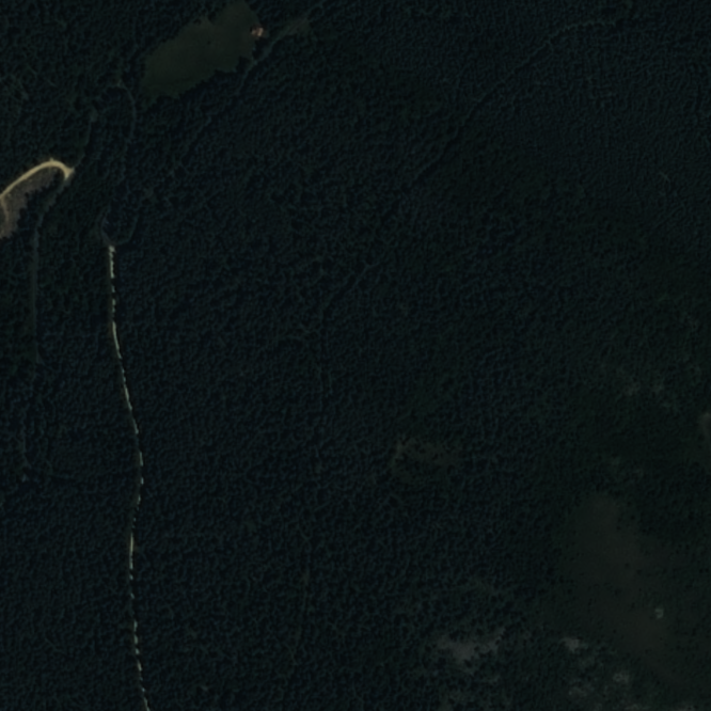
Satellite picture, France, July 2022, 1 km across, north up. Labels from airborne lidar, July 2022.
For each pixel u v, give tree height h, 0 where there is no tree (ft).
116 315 27
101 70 57
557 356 27
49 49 79
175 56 0
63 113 68
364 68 54
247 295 81
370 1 71
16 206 0
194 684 57
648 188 49
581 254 19
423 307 69
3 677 77
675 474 50
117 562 65
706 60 32
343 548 49
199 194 88
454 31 52
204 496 66
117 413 52
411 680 49
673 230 56
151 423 68
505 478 58
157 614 52
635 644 0
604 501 0
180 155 52
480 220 49
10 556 91
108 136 70
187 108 73
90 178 32
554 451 38
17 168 69
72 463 69
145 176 83
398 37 69
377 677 57
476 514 64
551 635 23
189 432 76
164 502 84
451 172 63
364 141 66
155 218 77
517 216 40
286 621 28
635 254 35
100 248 23
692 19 60
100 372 75
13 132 61
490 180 51
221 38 0
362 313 57
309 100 53
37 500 82
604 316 30
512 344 37
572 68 38
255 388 73
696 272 38
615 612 0
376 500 53
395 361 55
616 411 20
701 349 36
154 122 76
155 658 35
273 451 39
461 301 61
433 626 51
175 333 77
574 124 59
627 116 57
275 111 63
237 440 64
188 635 45
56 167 0
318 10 59
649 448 36
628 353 21
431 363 52
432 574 23
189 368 54
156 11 68
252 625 62
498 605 20
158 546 70
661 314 45
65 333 84
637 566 0
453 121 62
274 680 45
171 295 72
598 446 23
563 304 39
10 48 53
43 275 42
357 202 44
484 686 29
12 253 59
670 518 49
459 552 43
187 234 85
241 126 61
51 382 19
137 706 82
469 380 43
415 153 68
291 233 76
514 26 73
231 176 84
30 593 81
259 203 87
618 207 46
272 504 82
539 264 40
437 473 33
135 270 84
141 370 51
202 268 44
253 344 69
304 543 65
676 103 58
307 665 37
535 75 51
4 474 85
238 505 57
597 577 0
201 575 73
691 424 38
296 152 71
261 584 24
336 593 39
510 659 29
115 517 61
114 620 80
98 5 64
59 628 86
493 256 79
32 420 49
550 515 36
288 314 66
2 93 71
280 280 74
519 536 45
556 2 70
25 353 48
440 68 54
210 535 70
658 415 36
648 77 59
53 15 88
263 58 43
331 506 43
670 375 29
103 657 61
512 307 49
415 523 36
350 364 64
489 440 42
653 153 47
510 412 28
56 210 27
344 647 47
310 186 74
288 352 52
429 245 56
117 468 73
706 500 47
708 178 53
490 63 68
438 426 47
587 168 63
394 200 31
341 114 65
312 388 55
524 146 45
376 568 54
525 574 40
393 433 51
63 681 78
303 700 79
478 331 51
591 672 22
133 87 66
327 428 67
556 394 33
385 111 45
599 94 59
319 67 50
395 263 45
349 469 67
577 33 46
